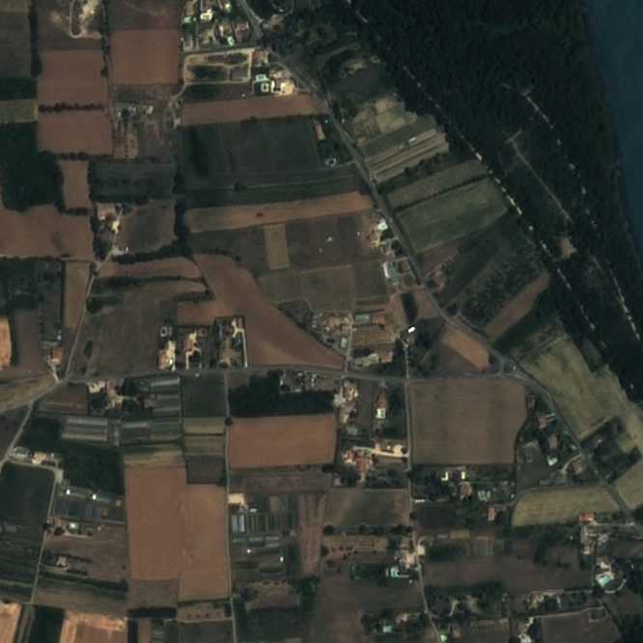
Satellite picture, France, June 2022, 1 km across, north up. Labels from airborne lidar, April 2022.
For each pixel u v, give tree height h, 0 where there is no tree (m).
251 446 0
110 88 0
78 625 0
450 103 8
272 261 0
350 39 5
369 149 0
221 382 0
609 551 0
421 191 0
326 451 0
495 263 0
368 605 0
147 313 0
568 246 0
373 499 0
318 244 0
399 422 0
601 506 0
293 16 16
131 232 0
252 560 0
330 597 0
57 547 0
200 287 0
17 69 0
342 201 0
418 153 0
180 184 11
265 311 0
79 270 0
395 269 0
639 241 0
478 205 0
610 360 7
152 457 0
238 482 0
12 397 0
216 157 0
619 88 0
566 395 0
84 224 0
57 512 0
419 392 0
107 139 0
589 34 0
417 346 10
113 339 0
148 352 0
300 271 0
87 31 0
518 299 0
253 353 0
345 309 0
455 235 0
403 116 0
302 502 0
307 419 0
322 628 0
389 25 24
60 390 0
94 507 0
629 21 0
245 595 8
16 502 0
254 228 0
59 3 0
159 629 0
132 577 0
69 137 0
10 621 0
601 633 0
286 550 0
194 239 0
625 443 0
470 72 23
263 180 0
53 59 0
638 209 0
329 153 13
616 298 7
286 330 0
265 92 0
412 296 0
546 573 0
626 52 0
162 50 0
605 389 0
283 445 0
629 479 0
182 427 0
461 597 8
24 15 0
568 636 0
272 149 0
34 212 0
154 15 0
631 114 0
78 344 0
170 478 0
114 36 0
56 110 9
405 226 0
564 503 0
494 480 6
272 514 0
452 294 0
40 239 0
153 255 11
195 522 0
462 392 0
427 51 25
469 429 0
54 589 0
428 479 13
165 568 0
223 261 0
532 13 23
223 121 0
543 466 0
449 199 0
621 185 0
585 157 25
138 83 0
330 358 0
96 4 0
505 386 0
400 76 17
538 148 7
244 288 0
